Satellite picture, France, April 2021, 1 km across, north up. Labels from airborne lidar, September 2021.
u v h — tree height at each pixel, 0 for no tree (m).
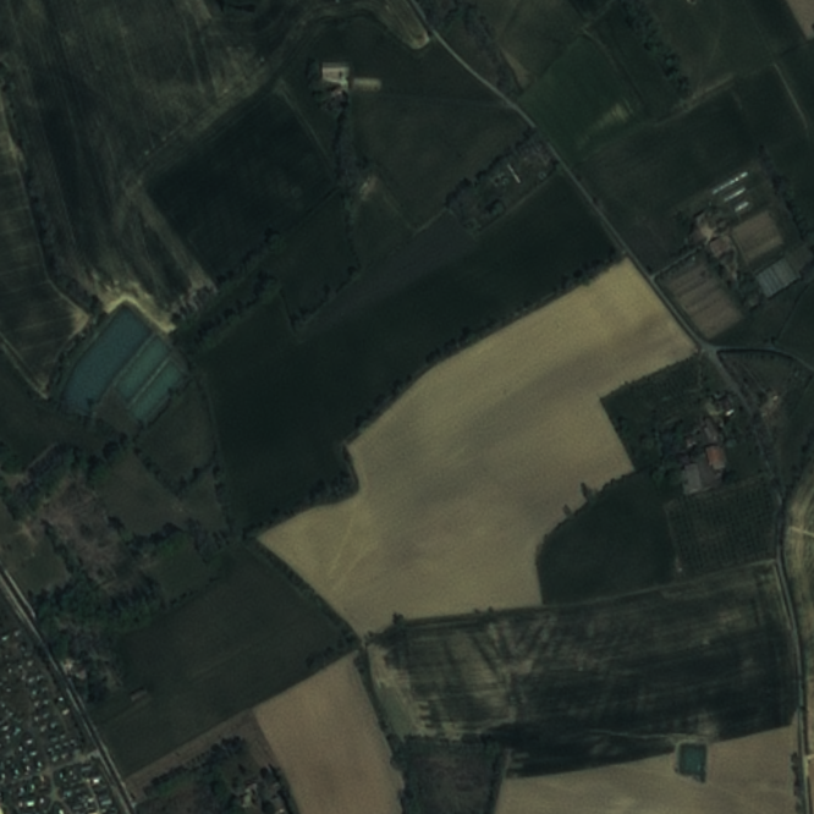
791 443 0
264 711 0
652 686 0
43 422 0
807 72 0
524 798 0
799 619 0
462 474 0
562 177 0
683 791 0
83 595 22
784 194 20
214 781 18
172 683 0
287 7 0
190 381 10
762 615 0
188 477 0
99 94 0
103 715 0
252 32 0
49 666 8
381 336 0
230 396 0
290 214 0
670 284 0
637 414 0
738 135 0
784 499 11
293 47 0
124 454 14
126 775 0
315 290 0
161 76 0
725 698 0
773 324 0
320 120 0
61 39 0
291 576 6
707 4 0
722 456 0
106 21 0
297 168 0
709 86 0
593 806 0
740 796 0
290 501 0
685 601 0
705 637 0
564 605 0
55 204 0
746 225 0
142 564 23
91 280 0
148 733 0
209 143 0
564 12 0
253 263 12
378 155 0
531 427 0
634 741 0
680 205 0
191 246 0
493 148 0
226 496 17
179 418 0
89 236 0
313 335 0
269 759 0
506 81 14
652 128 0
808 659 0
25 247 0
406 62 0
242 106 0
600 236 0
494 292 0
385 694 0
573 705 0
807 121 0
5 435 0
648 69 0
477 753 13
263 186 0
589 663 0
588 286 15
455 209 19
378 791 0
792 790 0
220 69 0
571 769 0
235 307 0
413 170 0
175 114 0
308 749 0
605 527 0
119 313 0
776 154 0
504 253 0
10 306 0
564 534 0
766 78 0
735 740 0
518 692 0
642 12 23
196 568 0
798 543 0
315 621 0
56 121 0
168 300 0
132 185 0
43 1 0
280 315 0
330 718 0
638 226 0
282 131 0
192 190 0
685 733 0
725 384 0
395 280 0
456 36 0
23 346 0
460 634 0
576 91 0
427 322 0
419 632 0
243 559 0
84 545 0
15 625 0
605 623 0
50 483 26
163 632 0
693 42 0
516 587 0
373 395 0
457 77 0
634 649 0
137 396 0
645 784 0
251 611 0
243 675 0
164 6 0
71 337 0
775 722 0
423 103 0
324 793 0
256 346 0
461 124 0
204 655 0
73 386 0
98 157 0
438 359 12
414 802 22
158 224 0
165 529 0
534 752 0
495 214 7
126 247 0
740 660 0
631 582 0
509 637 0
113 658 15
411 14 0
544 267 0
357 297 0
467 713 0
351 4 0
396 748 12
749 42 0
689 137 0
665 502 0
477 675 0
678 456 10
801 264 0
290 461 0
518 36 0
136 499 0
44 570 0
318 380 0
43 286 0
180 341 8
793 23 0
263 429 0
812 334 0
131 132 0
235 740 0
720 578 0
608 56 0
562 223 0
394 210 0
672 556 0
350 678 0
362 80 0
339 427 0
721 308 0
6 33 0
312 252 0
